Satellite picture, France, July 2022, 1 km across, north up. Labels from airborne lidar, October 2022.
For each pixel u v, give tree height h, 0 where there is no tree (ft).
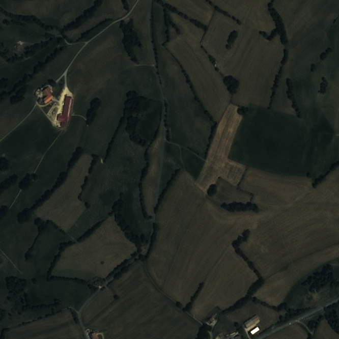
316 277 74
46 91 0
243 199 0
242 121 0
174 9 42
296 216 0
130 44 73
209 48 0
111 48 0
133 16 0
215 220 0
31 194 0
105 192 0
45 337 0
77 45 0
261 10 0
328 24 0
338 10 0
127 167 0
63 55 0
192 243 0
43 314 0
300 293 0
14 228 0
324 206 0
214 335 0
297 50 0
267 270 0
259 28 0
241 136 0
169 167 0
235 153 0
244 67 0
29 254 40
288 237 0
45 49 0
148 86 0
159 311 0
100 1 58
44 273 0
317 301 0
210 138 37
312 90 0
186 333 0
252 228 0
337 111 0
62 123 0
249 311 0
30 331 0
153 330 0
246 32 0
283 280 0
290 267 0
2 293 0
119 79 0
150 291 0
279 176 0
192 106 0
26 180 58
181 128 0
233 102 0
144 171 49
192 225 0
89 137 0
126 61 0
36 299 0
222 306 0
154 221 0
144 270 0
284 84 0
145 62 0
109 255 0
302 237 0
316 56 0
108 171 0
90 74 0
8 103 0
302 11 0
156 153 0
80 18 46
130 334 0
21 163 0
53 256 0
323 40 0
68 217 0
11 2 0
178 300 0
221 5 0
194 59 0
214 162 0
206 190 0
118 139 0
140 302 0
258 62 0
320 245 0
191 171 0
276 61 0
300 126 0
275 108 0
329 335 0
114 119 0
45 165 0
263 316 0
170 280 0
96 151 0
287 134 0
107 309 0
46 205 0
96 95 0
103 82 0
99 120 0
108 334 0
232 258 0
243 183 0
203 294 0
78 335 0
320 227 0
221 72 0
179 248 0
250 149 0
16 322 0
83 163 0
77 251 0
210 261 0
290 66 0
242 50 0
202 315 0
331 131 0
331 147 0
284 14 0
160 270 0
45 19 0
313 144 0
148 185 0
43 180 0
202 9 0
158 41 0
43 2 0
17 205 0
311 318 0
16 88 51
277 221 0
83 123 0
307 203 0
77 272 0
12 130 0
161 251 0
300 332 0
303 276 0
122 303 0
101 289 27
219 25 0
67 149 0
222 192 0
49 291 0
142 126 0
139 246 45
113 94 0
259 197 0
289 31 0
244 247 0
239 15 0
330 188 0
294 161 0
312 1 0
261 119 0
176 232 0
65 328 0
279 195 0
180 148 0
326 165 0
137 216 0
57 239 0
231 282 0
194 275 0
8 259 0
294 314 41
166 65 0
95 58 0
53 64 0
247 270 0
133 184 0
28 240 0
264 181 0
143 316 0
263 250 0
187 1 0
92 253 0
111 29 0
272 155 0
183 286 0
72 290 0
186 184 0
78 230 0
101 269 0
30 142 0
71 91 0
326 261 0
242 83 0
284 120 0
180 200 0
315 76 0
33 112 0
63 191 0
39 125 0
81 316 0
